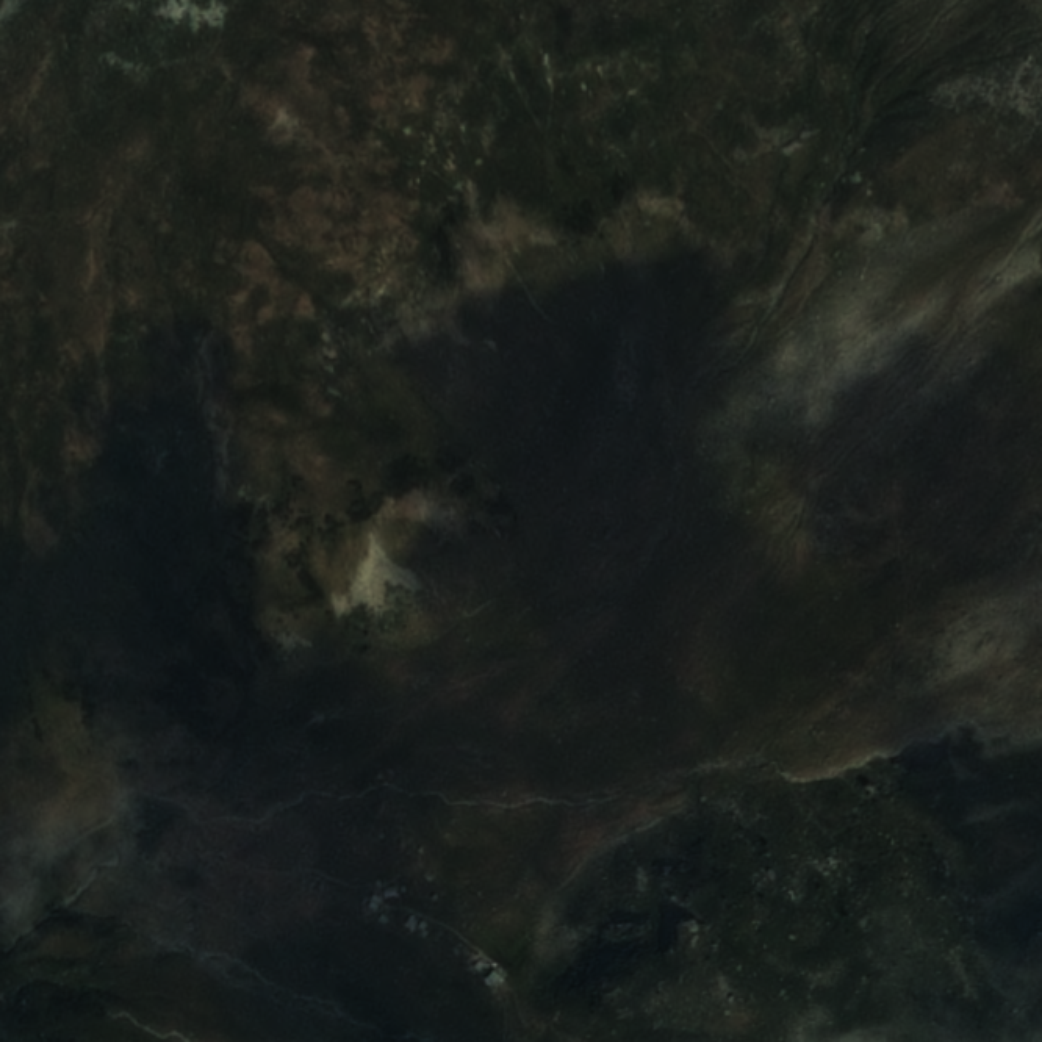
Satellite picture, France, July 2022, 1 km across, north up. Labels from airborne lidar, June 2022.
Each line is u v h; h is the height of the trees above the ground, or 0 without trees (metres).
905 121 0
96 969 0
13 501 0
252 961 0
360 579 0
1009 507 0
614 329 0
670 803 0
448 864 0
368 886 0
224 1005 0
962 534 0
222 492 0
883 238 0
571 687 0
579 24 0
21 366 0
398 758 0
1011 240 0
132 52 0
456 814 0
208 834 0
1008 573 0
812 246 0
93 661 0
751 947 0
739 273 0
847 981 0
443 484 0
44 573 0
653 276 0
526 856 0
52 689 0
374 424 0
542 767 0
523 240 0
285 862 0
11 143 0
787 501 0
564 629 0
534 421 0
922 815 0
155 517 0
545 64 0
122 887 0
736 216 0
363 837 0
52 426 0
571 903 0
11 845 0
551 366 0
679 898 0
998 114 0
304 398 0
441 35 0
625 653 0
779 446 0
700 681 0
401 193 0
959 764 0
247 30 0
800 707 0
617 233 0
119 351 0
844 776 0
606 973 8
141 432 0
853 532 0
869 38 0
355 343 0
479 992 0
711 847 0
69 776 0
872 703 0
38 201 0
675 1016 0
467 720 0
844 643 0
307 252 0
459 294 0
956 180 0
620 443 0
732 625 0
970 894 0
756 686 0
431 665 0
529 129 0
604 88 0
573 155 0
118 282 0
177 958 0
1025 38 0
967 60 0
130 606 0
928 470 0
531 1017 0
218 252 0
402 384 0
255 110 0
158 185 0
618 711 0
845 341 0
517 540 0
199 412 0
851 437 0
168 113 0
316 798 0
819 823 0
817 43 0
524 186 0
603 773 0
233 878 0
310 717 0
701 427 0
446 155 0
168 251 0
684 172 0
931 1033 0
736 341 0
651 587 0
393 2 0
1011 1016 0
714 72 0
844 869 0
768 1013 0
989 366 0
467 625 0
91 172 0
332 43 0
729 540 0
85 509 0
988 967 0
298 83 0
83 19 0
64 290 0
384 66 0
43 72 0
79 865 0
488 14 0
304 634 0
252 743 0
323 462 0
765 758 0
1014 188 0
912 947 0
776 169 0
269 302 0
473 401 0
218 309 0
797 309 0
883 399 0
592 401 0
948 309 0
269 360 0
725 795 0
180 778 0
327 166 0
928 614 0
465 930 0
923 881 0
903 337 0
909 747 0
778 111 0
